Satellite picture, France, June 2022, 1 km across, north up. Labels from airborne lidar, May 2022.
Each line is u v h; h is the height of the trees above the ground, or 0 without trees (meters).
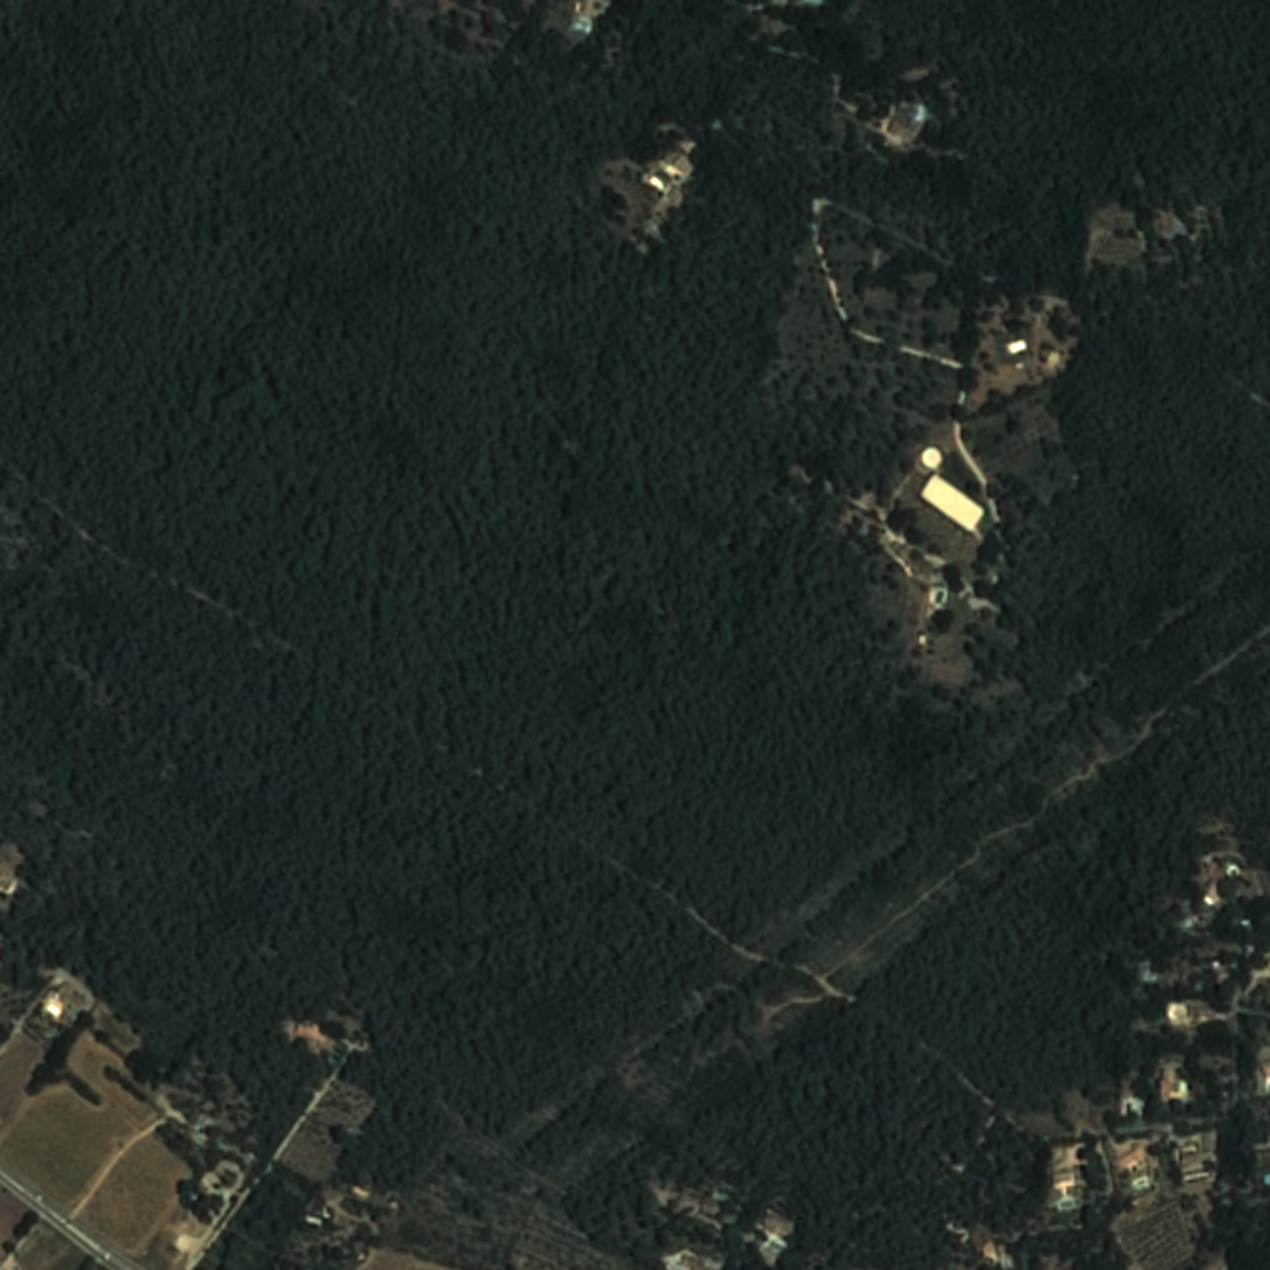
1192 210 20
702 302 13
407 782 17
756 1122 17
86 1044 0
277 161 21
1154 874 18
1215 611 16
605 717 22
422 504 21
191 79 20
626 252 12
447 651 22
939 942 19
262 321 9
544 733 20
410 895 6
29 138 12
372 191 17
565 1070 18
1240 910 12
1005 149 18
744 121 18
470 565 18
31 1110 0
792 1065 19
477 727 23
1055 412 8
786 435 18
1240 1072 6
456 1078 16
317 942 16
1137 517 12
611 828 21
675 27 9
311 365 20
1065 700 9
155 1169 0
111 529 13
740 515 21
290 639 17
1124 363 17
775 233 18
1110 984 17
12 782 22
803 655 18
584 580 20
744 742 15
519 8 7
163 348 16
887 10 14
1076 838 17
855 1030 6
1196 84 9
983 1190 16
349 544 22
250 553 17
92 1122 0
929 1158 6
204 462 23
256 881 18
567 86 10
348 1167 15
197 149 19
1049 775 23
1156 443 21
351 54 19
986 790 11
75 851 19
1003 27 7
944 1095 15
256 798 15
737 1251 16
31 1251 0
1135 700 16
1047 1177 11
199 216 7
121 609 14
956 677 0
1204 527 19
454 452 19
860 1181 6
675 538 17
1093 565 17
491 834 15
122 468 20
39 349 18
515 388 21
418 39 9
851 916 13
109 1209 0
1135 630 11
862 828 17
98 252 18
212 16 22
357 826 18
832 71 12
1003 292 12
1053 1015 13
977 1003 18
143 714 16
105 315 16
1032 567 18
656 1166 21
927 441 21
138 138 14
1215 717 17
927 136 10
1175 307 16
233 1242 13
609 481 22
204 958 19
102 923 21
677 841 22
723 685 13
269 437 24
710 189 11
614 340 15
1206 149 18
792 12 13
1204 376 16
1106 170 17
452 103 7
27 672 7
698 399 17
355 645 22
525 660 20
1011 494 9
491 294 19
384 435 14
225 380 25
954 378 18
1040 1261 14
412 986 19
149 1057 10
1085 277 12
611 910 19
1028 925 18
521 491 21
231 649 23
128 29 18
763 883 19
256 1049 20
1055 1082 17
